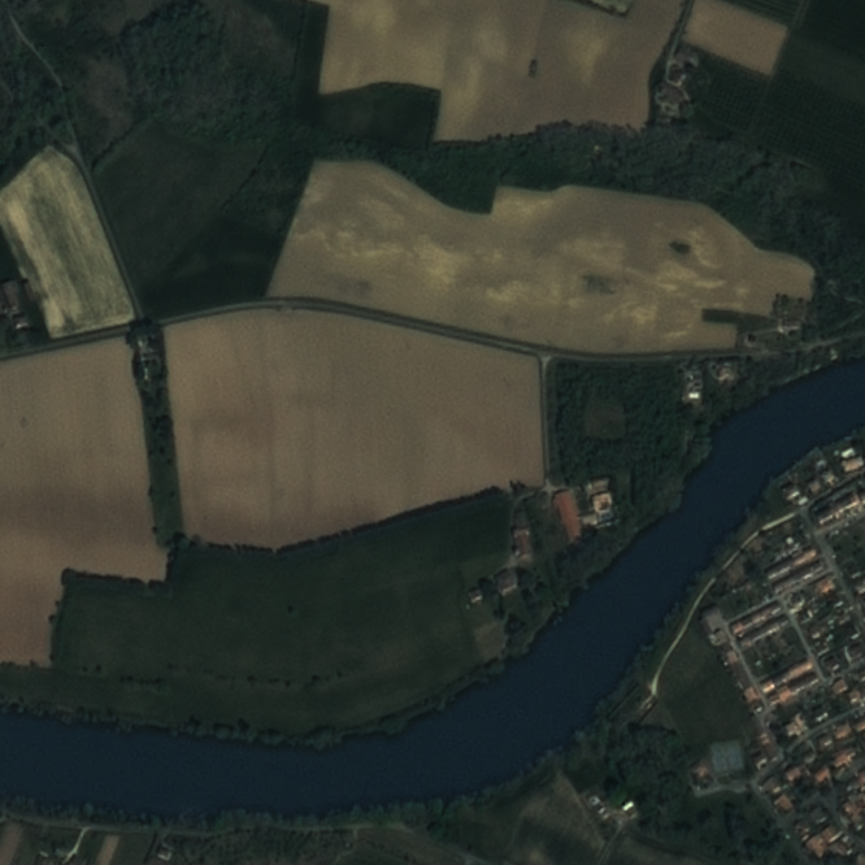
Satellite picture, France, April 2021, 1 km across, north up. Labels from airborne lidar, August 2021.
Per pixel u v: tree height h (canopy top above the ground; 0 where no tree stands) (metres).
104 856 0
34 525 0
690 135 19
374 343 0
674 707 0
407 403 0
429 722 0
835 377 0
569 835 0
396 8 0
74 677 0
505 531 0
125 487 0
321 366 0
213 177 0
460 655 0
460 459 0
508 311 0
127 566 0
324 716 0
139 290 0
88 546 0
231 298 0
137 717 11
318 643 0
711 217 0
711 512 0
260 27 0
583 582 27
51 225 0
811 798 10
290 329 0
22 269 0
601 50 0
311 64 0
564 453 14
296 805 0
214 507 0
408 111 0
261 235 0
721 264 0
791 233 12
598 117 0
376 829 17
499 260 0
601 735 30
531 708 0
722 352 0
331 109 0
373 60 0
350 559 0
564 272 0
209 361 0
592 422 0
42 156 0
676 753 18
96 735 0
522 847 0
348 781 0
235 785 0
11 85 8
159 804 0
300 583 0
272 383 0
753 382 16
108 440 0
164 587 13
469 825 0
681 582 0
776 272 0
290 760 0
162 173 0
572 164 22
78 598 0
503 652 8
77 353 0
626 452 15
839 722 5
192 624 0
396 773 0
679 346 0
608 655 0
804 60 0
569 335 0
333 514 0
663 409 6
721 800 0
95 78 0
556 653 0
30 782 0
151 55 19
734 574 0
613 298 0
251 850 8
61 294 0
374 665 0
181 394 0
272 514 0
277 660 0
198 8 15
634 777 22
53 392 0
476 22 0
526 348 0
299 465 0
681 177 20
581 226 0
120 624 0
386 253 0
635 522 16
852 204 0
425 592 0
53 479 0
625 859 0
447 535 0
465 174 6
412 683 0
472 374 0
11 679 0
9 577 0
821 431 0
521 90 0
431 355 0
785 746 9
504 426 0
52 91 22
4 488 0
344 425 0
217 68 20
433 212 0
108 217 0
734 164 21
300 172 7
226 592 0
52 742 0
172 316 0
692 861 0
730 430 0
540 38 0
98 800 0
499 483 0
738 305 0
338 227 0
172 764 0
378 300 0
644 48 0
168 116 15
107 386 0
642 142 15
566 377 7
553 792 0
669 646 0
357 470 0
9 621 0
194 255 0
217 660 0
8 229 0
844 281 16
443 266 0
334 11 0
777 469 0
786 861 10
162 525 0
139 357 9
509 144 6
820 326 14
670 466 13
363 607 0
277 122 9
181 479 0
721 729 0
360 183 0
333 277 0
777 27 0
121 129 0
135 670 0
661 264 0
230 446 0
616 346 0
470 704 0
